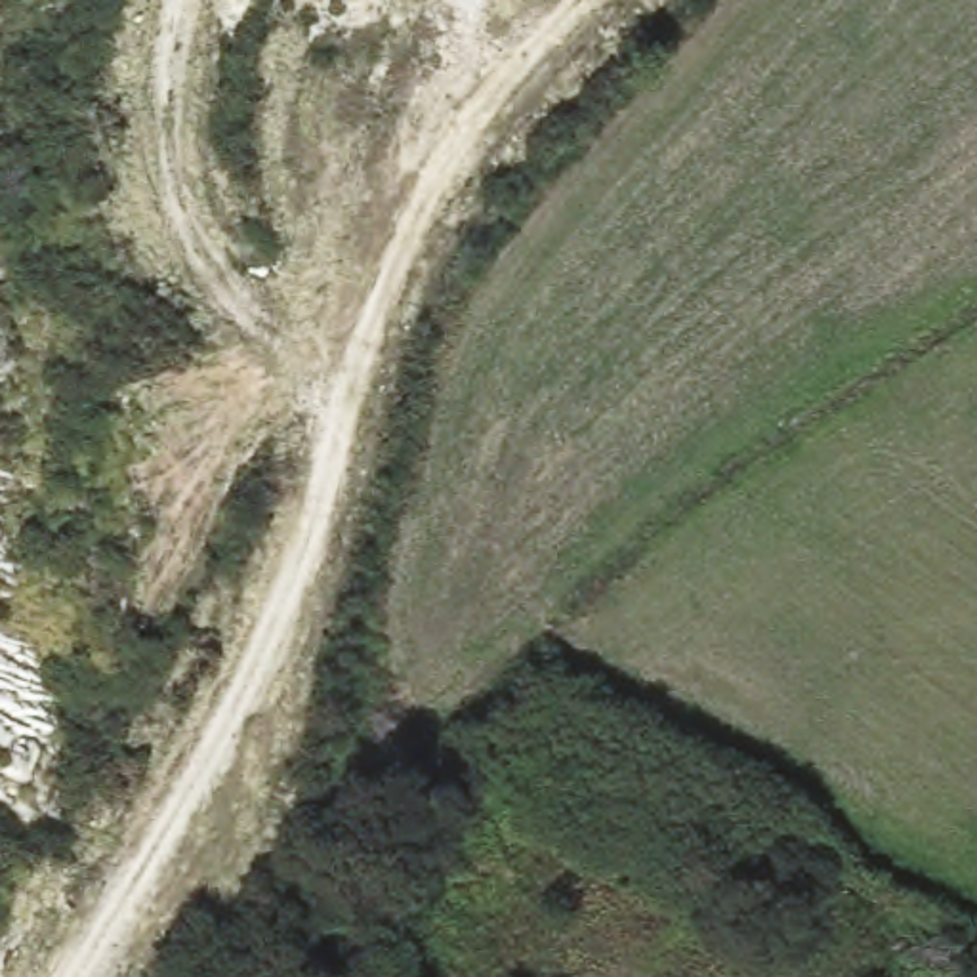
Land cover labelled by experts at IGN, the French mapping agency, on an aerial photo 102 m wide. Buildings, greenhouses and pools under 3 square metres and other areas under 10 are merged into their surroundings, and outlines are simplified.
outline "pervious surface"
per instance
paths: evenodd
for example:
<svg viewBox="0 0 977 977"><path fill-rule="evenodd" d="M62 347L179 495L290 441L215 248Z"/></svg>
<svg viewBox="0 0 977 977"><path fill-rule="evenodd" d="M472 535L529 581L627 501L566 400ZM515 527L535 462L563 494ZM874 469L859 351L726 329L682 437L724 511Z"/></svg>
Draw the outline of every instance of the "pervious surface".
<svg viewBox="0 0 977 977"><path fill-rule="evenodd" d="M57 572L23 569L8 561L4 550L0 542L0 801L19 821L57 817L57 798L50 798L50 767L57 759L61 737L53 733L53 721L46 714L50 695L38 679L38 660L73 649L69 630L76 618L69 599L50 599Z"/></svg>
<svg viewBox="0 0 977 977"><path fill-rule="evenodd" d="M214 103L221 38L240 23L252 0L126 0L103 95L122 99L130 126L118 137L92 134L92 145L99 160L114 172L118 187L111 198L84 206L84 218L111 218L111 229L118 233L114 271L156 279L156 290L168 301L191 305L191 324L206 336L206 351L195 351L191 370L168 370L156 378L126 382L118 389L118 405L145 405L145 424L137 427L134 447L149 450L149 458L134 462L130 473L134 485L149 496L149 504L156 515L156 538L149 550L137 553L137 611L145 614L176 607L179 576L202 561L221 500L229 496L237 469L256 458L263 439L275 443L275 481L282 504L275 508L263 546L248 561L248 584L218 580L218 588L202 595L195 607L198 626L221 630L221 664L214 676L198 683L191 714L176 710L172 702L156 702L130 725L130 744L149 744L149 782L137 794L137 805L103 805L76 832L76 855L65 866L42 863L34 874L27 874L15 889L11 924L0 935L0 977L191 977L191 954L160 950L156 939L195 889L237 893L252 859L271 847L282 813L298 801L282 756L294 752L305 725L313 664L328 626L328 607L347 572L359 496L366 477L374 473L374 447L385 420L385 397L397 389L397 340L412 332L424 290L431 282L431 267L439 267L443 256L454 248L458 225L477 214L477 168L523 160L530 126L550 114L553 103L572 99L588 73L595 73L611 53L618 53L618 38L626 27L664 8L668 0L271 0L275 31L260 57L260 76L267 84L260 114L263 176L256 183L233 183L214 145L206 141L206 114ZM240 218L271 221L286 252L275 263L267 263L260 248L240 240Z"/></svg>
<svg viewBox="0 0 977 977"><path fill-rule="evenodd" d="M42 477L23 466L0 466L0 504L11 489L38 489L42 481Z"/></svg>

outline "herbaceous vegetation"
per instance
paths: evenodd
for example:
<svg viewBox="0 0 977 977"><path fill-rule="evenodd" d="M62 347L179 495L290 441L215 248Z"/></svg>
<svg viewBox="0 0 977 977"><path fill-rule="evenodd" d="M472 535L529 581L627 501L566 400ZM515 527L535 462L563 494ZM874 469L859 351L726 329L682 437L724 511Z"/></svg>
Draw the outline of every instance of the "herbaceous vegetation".
<svg viewBox="0 0 977 977"><path fill-rule="evenodd" d="M50 477L42 481L38 489L11 489L0 504L0 542L4 550L19 538L19 523L27 515L88 508L84 496L65 492Z"/></svg>
<svg viewBox="0 0 977 977"><path fill-rule="evenodd" d="M50 355L65 355L76 363L88 328L65 317L50 317L42 301L27 301L23 309L8 309L8 301L0 305L0 466L23 466L42 477L46 416L53 389L46 385L42 366Z"/></svg>
<svg viewBox="0 0 977 977"><path fill-rule="evenodd" d="M99 473L99 485L111 489L114 508L95 515L95 527L103 534L126 534L130 527L137 527L137 511L145 511L149 504L149 496L134 485L130 473L134 462L149 458L149 450L134 447L137 427L145 424L145 405L118 405L118 412L111 416L107 466Z"/></svg>
<svg viewBox="0 0 977 977"><path fill-rule="evenodd" d="M866 870L855 859L855 851L821 821L821 813L790 782L771 779L756 763L744 763L729 752L710 752L706 744L676 729L664 729L664 721L645 706L618 706L611 698L611 687L599 687L592 676L565 676L557 649L565 645L565 637L557 634L530 637L500 668L492 687L466 698L454 710L435 714L424 706L405 706L397 698L378 702L370 737L351 756L351 767L366 782L416 771L435 790L473 786L489 817L481 828L466 836L466 847L477 859L469 870L447 874L450 901L431 920L431 927L439 927L431 954L447 977L966 977L958 969L958 946L931 931L939 927L943 904ZM729 866L737 866L748 855L759 855L779 836L798 836L805 843L828 847L840 870L836 882L824 889L824 920L813 931L794 920L771 950L752 950L733 939L725 897L710 904L706 889ZM546 901L546 885L565 870L580 878L584 897L572 912Z"/></svg>

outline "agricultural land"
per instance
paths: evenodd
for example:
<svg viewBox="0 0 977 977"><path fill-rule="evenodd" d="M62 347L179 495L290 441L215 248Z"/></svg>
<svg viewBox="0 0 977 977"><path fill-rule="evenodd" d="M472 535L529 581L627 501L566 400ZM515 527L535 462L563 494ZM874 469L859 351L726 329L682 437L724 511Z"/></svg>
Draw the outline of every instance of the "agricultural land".
<svg viewBox="0 0 977 977"><path fill-rule="evenodd" d="M855 851L855 859L866 870L943 904L977 920L977 0L717 0L714 11L683 34L653 92L641 92L622 111L614 111L603 134L592 137L588 156L542 191L542 202L530 210L523 229L496 252L485 282L477 286L462 317L462 328L454 336L443 336L435 351L435 416L427 427L427 450L416 466L416 496L408 500L408 511L397 527L385 588L389 672L397 698L405 706L424 706L435 714L454 710L466 698L492 687L500 668L530 637L557 634L565 637L565 645L557 649L565 676L592 676L599 687L611 687L611 698L618 706L645 706L664 721L664 729L676 729L706 744L710 752L729 752L744 763L756 763L771 779L790 782L821 813L821 821Z"/></svg>

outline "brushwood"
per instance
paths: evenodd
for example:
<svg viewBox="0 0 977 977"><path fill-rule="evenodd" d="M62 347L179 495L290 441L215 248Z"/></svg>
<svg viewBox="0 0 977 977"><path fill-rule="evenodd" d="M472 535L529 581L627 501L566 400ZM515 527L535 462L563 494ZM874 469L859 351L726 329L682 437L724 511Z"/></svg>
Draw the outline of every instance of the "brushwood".
<svg viewBox="0 0 977 977"><path fill-rule="evenodd" d="M572 912L584 897L580 878L565 870L546 885L546 901Z"/></svg>
<svg viewBox="0 0 977 977"><path fill-rule="evenodd" d="M931 931L958 946L958 969L966 977L977 977L977 920L943 904L939 927Z"/></svg>
<svg viewBox="0 0 977 977"><path fill-rule="evenodd" d="M805 843L798 836L779 836L759 855L748 855L737 866L729 866L706 889L710 904L725 897L733 939L752 950L771 950L794 920L813 931L824 920L824 889L836 882L840 870L828 847Z"/></svg>
<svg viewBox="0 0 977 977"><path fill-rule="evenodd" d="M458 225L454 248L443 256L439 267L431 267L431 282L424 290L412 332L397 340L397 389L385 397L385 420L374 447L374 473L366 477L359 496L347 572L328 607L328 626L313 664L305 725L294 752L282 756L298 801L282 813L271 847L252 859L237 893L195 889L156 939L160 950L191 954L191 977L447 977L431 954L439 927L431 927L431 920L450 901L447 874L469 870L477 859L466 847L466 836L481 828L489 817L473 786L435 790L416 771L366 782L351 767L351 756L370 737L378 702L397 698L389 672L385 588L397 527L408 511L408 500L416 496L416 466L427 450L427 427L435 416L435 351L443 336L454 336L462 328L462 317L477 286L485 282L496 252L523 229L530 210L542 202L542 191L588 156L592 137L603 134L614 111L622 111L641 92L653 92L683 34L714 11L717 0L668 0L664 8L626 27L618 38L618 53L611 53L595 73L588 73L572 99L553 103L550 114L530 126L523 160L477 168L477 214Z"/></svg>
<svg viewBox="0 0 977 977"><path fill-rule="evenodd" d="M240 23L221 38L214 103L206 114L206 141L214 145L233 183L256 183L263 176L260 114L267 84L260 76L260 57L275 31L271 0L252 0Z"/></svg>
<svg viewBox="0 0 977 977"><path fill-rule="evenodd" d="M275 263L286 252L271 221L240 218L240 240L260 248L267 263Z"/></svg>
<svg viewBox="0 0 977 977"><path fill-rule="evenodd" d="M137 511L137 527L130 527L126 534L103 534L95 527L95 515L114 508L111 489L99 485L99 473L107 466L111 416L118 412L118 405L118 389L126 382L156 378L168 370L191 370L195 351L206 351L206 336L191 324L191 305L168 301L156 290L156 279L114 271L118 233L111 229L111 218L84 218L84 206L111 198L118 187L114 172L99 160L92 145L92 134L118 137L130 126L122 99L103 95L126 0L0 0L0 305L8 301L8 309L23 309L27 301L42 301L50 317L65 317L88 328L76 363L65 355L50 355L42 366L46 385L53 389L46 416L42 477L42 481L50 477L65 492L84 496L88 508L27 515L19 523L19 538L4 550L8 561L23 569L57 572L50 599L69 599L76 618L69 630L73 649L38 660L38 679L50 695L46 714L53 721L53 733L61 737L57 759L50 767L50 798L57 798L57 817L19 821L0 801L0 935L11 924L15 889L27 874L34 874L42 863L65 866L76 855L76 832L103 805L137 805L137 794L149 782L149 744L130 744L130 725L156 702L172 702L176 710L191 714L198 683L214 676L221 664L221 630L198 626L195 607L202 595L218 588L218 580L248 584L248 561L263 546L275 508L282 504L275 481L275 443L263 439L256 458L237 469L229 496L221 500L202 561L179 576L176 607L145 614L137 611L137 553L149 550L156 538L156 515L149 504L145 511Z"/></svg>

